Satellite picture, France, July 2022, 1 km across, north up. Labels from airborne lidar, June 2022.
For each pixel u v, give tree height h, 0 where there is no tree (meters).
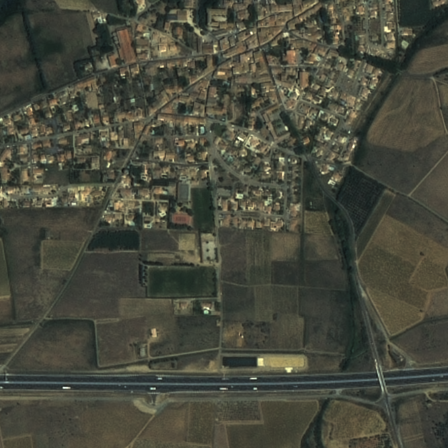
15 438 0
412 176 0
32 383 0
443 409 0
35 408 0
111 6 0
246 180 0
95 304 0
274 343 0
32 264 0
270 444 0
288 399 0
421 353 0
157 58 0
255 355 0
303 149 15
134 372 0
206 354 0
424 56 0
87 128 6
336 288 0
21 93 0
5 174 0
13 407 0
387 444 6
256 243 0
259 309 0
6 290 0
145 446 0
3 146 0
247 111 7
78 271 0
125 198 0
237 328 0
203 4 13
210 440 0
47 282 0
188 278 0
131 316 0
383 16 0
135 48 15
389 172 0
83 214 0
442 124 0
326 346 0
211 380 0
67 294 0
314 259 0
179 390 0
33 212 0
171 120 0
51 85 0
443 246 0
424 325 0
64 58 0
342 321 0
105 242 10
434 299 0
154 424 0
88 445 0
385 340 0
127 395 0
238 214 0
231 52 0
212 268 0
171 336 0
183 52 0
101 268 0
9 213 0
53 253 0
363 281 0
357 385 0
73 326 0
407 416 0
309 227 0
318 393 0
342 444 0
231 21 12
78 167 6
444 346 0
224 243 0
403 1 7
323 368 0
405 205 0
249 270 0
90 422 0
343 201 6
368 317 0
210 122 0
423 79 0
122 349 0
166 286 0
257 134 0
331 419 0
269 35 0
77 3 0
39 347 0
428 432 0
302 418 0
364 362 0
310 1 0
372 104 0
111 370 0
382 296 0
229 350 0
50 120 0
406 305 0
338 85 0
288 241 0
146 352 0
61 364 0
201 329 0
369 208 7
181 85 7
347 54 18
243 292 0
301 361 0
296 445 0
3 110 0
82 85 0
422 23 11
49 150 0
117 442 0
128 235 10
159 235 0
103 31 15
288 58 0
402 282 0
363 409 0
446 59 0
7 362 0
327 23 14
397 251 0
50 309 0
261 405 0
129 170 10
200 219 0
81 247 0
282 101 0
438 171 0
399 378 0
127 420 0
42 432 0
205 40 0
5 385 0
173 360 7
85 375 0
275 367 0
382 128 0
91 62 8
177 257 0
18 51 0
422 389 0
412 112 0
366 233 0
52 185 0
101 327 0
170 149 0
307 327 0
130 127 0
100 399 0
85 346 0
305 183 0
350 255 16
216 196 0
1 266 0
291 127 13
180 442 0
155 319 0
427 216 0
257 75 0
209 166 0
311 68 8
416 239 0
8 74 0
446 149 0
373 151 0
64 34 0
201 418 0
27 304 0
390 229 0
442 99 0
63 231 0
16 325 0
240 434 0
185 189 0
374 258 0
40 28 0
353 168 11
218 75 0
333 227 13
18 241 0
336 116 0
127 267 0
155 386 0
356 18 6
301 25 10
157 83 0
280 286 0
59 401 0
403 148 0
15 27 0
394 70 22
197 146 8
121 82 7
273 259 0
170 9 9
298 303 0
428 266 0
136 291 0
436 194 0
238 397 0
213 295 6
